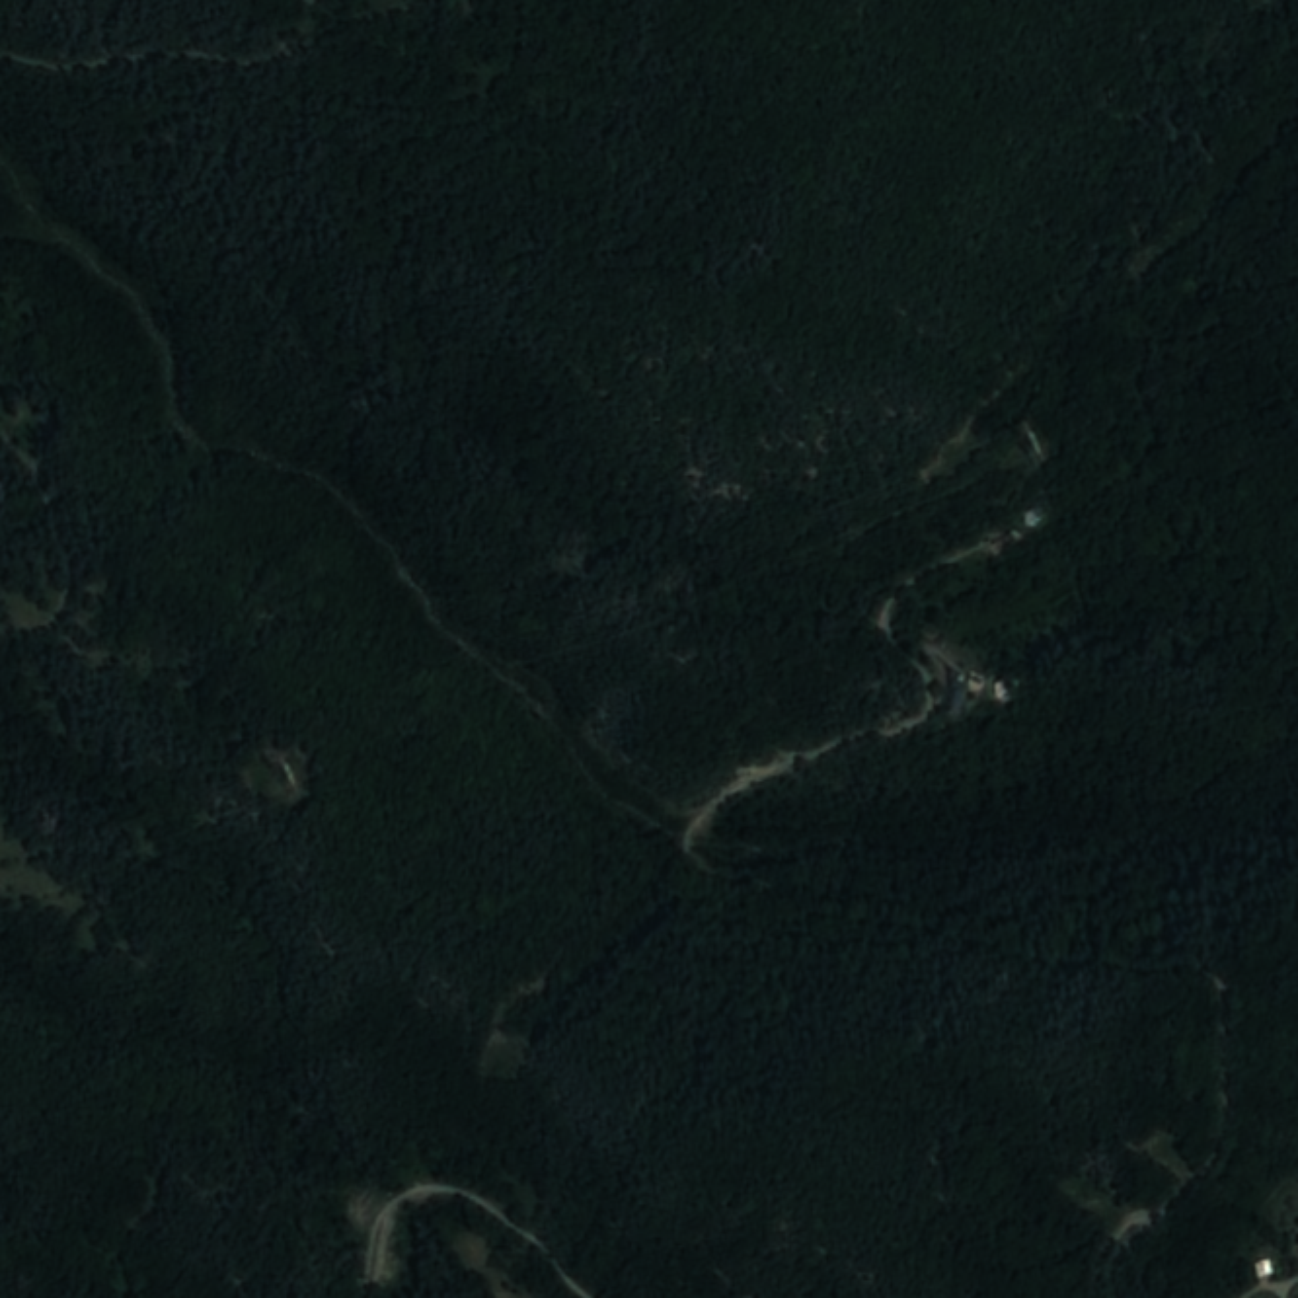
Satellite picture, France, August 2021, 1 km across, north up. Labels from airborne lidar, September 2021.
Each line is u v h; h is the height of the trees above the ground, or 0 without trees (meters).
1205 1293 20
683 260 24
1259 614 32
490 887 27
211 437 9
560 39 17
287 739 18
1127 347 28
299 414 15
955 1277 19
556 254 21
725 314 14
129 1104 25
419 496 17
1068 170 16
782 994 29
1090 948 15
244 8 20
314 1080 25
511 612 13
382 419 17
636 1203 13
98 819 37
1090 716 23
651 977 27
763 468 9
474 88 15
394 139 13
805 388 14
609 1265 13
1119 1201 17
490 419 28
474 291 28
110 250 18
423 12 16
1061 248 27
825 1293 22
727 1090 27
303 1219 24
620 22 19
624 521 25
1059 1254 25
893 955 31
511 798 27
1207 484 27
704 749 18
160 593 21
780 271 25
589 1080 19
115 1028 33
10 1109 18
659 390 15
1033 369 10
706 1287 16
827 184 19
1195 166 34
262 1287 18
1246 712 19
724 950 28
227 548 22
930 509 16
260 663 21
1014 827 21
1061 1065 14
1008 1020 23
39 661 29
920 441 16
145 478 15
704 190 20
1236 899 28
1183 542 23
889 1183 23
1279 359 30
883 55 20
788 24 22
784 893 22
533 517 26
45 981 18
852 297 15
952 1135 34
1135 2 25
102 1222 22
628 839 28
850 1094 26
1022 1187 19
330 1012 21
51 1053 27
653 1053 32
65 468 24
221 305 20
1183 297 23
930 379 23
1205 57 34
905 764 9
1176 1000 19
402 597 23
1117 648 41
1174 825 22
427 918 33
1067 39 26
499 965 23
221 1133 26
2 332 20
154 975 14
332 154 31
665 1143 14
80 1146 18
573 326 23
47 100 13
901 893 26
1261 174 28
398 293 9
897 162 20
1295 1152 12
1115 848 11
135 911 27
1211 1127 15
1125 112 32
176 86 16
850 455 14
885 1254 19
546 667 15
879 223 21
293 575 16
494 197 19
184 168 22
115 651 8
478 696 18
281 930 29
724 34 23
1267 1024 22
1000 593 12
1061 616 5
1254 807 24
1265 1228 20
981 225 15
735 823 19
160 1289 18
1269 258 22
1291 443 25
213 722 22
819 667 16
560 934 27
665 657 13
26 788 22
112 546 29
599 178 14
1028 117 20
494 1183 17
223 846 10
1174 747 20
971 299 25
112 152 17
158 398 30
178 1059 26
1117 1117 20
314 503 17
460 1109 20
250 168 28
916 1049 25
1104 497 10
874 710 16
